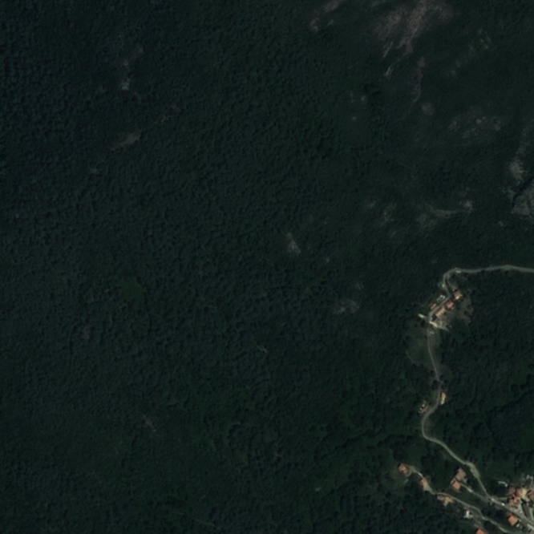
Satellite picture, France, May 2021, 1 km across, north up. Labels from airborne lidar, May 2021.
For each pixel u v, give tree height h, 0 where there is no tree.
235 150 20
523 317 8
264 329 16
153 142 8
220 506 13
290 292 19
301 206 16
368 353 14
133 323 18
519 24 7
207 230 20
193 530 20
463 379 14
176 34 11
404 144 8
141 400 18
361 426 12
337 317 19
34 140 12
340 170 8
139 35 9
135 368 10
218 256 15
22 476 21
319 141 19
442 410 15
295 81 18
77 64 17
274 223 18
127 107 14
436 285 11
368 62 11
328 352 9
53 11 18
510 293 14
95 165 16
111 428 13
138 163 10
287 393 12
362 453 18
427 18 0
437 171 7
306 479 9
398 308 20
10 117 17
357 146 10
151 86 12
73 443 7
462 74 5
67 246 21
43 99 21
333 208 8
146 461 13
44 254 24
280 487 6
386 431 16
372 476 8
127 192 16
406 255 16
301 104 16
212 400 15
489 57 7
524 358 17
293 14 14
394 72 8
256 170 9
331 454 17
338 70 7
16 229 20
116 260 21
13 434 17
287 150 9
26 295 18
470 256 11
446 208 7
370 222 7
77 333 26
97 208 25
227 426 18
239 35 17
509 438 18
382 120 14
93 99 13
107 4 16
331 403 8
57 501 18
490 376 15
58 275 26
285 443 20
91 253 15
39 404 22
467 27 8
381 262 9
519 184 7
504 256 8
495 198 8
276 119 14
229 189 19
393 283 7
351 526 11
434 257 9
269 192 18
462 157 5
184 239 17
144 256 21
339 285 15
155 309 16
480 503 8
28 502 15
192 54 16
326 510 13
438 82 7
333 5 0
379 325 12
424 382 14
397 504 15
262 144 13
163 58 19
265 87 14
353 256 7
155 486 9
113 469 8
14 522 15
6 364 8
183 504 17
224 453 12
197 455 10
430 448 10
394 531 19
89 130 18
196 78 14
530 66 8
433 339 0
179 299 9
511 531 0
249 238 17
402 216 10
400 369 10
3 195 12
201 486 8
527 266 6
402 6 0
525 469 11
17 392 10
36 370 14
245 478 7
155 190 9
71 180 13
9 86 7
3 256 18
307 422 14
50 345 16
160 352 16
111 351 23
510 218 8
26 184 18
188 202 20
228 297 14
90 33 17
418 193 7
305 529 15
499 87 7
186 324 31
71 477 12
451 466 16
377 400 11
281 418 12
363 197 5
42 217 25
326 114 12
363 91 12
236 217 18
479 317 12
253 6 11
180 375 13
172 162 17
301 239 12
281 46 8
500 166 7
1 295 8
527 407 17
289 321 12
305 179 17
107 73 15
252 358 20
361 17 6
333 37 16
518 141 6
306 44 7
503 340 15
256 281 21
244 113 10
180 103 8
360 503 17
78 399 14
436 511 16
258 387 15
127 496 12
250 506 13
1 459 12
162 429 6
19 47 15
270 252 24
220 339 28
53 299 22
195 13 5
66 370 7
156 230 24
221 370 10
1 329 18
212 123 8
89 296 20
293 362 10
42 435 7
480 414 9
